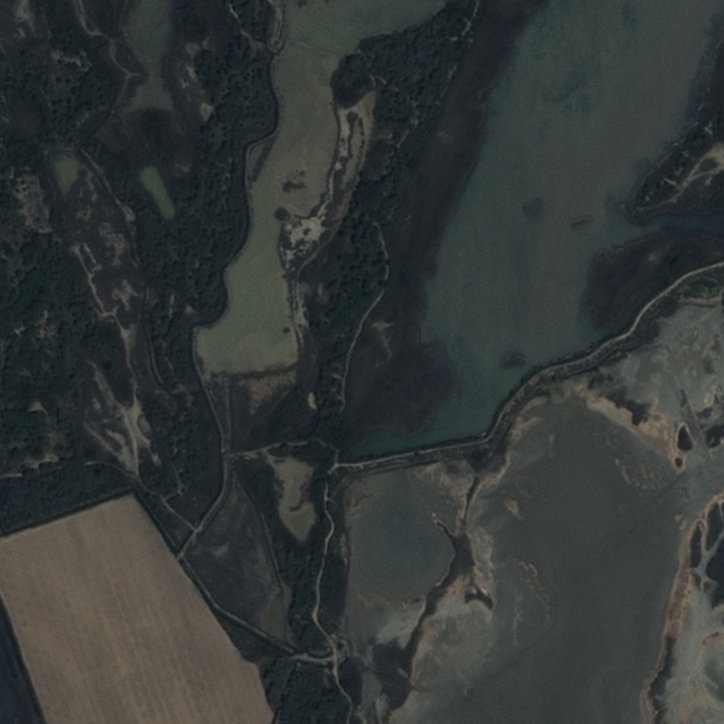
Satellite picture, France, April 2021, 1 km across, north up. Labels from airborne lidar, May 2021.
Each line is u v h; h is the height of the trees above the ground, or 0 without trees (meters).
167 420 6
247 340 0
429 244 0
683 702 0
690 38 0
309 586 6
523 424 0
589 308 0
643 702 0
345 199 0
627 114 0
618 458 0
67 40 7
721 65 0
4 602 0
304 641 7
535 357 0
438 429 0
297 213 0
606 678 0
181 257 7
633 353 0
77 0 0
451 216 0
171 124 0
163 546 0
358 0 0
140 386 0
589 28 0
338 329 6
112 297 0
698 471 0
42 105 7
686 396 0
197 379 0
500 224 0
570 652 0
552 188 0
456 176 0
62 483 9
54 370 8
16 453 8
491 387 0
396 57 8
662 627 0
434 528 0
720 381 0
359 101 0
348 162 0
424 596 0
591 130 0
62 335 8
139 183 0
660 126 0
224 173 6
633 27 0
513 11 0
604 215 0
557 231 0
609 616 0
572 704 0
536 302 0
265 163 0
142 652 0
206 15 0
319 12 0
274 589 0
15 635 0
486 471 0
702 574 0
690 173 0
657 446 0
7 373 8
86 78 7
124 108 0
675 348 0
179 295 6
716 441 0
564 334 0
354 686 0
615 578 0
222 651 0
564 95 0
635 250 0
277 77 0
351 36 0
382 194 10
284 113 0
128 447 0
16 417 9
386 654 0
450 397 0
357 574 0
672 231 0
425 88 8
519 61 0
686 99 0
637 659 0
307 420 0
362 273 9
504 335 0
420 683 0
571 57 0
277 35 0
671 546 0
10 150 8
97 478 10
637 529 0
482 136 0
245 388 0
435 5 0
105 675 0
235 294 0
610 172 0
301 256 0
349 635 0
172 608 0
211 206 7
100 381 0
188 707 0
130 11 0
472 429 0
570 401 0
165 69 0
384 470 0
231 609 0
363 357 0
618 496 0
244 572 0
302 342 0
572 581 0
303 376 0
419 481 0
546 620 0
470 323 0
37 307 8
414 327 0
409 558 0
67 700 0
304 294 0
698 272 0
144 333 0
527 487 0
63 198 0
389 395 0
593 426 0
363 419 0
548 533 0
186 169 0
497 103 0
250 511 0
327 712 7
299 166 0
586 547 0
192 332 0
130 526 0
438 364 0
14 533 0
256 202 0
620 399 0
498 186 0
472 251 0
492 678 0
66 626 0
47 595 0
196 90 0
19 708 0
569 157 0
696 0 0
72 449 7
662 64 0
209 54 9
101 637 0
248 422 0
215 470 0
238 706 0
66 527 0
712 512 0
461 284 0
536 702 0
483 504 0
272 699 8
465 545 0
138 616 0
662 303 0
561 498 0
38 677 0
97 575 0
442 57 9
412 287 0
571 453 0
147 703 0
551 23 0
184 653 0
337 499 0
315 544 6
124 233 0
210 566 0
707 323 0
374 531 0
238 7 8
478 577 0
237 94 10
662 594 0
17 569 0
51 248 8
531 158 0
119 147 0
